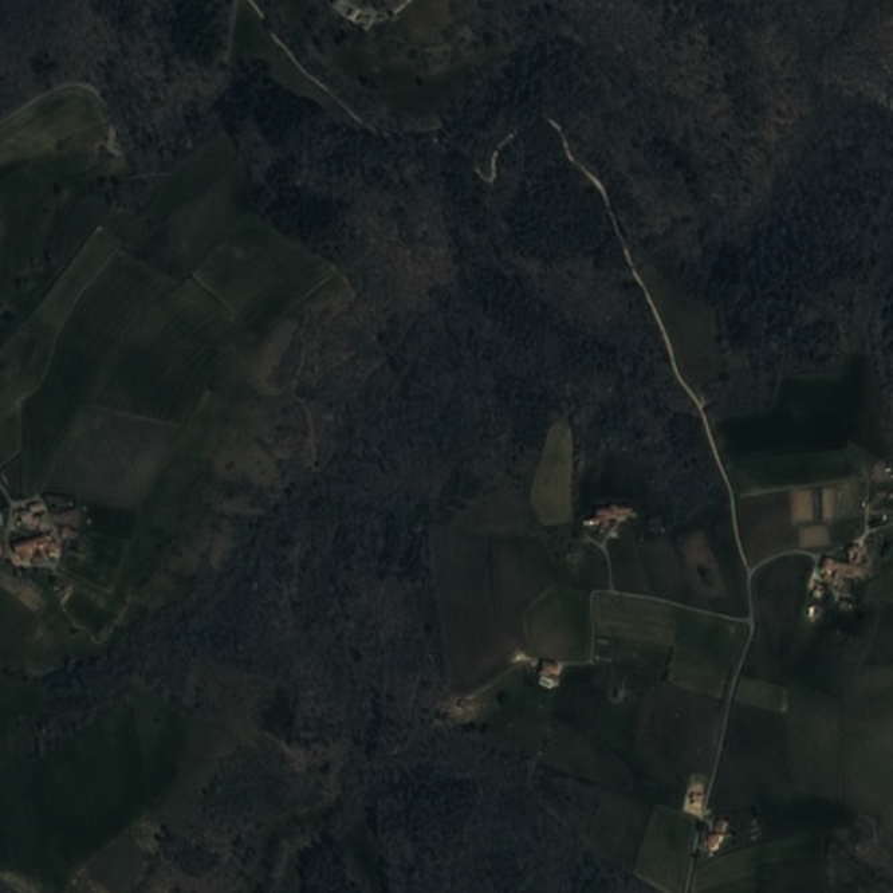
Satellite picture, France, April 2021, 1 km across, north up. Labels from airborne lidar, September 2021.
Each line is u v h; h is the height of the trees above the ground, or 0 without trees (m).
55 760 0
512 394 13
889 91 6
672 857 0
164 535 0
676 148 18
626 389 14
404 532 9
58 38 12
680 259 13
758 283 11
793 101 12
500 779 10
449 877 8
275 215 16
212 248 0
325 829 10
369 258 8
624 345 13
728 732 0
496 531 0
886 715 0
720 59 13
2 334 0
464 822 19
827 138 11
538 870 20
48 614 0
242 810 12
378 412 14
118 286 0
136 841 0
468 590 0
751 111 8
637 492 0
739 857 0
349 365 9
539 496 0
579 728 0
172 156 9
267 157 9
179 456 0
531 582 0
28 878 0
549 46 19
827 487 0
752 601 0
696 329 0
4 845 0
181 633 20
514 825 17
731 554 0
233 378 0
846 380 0
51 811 0
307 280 0
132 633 17
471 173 12
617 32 6
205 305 0
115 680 10
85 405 0
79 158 0
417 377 8
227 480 0
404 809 15
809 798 0
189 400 0
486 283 20
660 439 8
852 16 8
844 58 8
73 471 0
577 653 0
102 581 0
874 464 0
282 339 0
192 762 0
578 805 0
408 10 0
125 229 0
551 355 16
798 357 8
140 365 0
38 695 0
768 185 8
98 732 0
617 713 0
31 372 0
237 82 12
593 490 0
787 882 0
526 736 0
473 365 13
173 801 0
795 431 0
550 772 0
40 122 0
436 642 7
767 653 0
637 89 23
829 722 0
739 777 0
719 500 6
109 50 7
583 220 15
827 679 0
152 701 0
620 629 0
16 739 0
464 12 22
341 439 12
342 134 20
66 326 0
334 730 14
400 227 13
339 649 16
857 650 0
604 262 13
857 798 0
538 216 15
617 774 0
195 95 7
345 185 17
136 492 0
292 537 8
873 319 8
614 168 10
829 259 13
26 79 9
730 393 10
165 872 10
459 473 0
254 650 10
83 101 0
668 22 12
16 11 13
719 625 0
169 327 0
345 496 15
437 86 0
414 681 8
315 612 13
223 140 0
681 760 0
